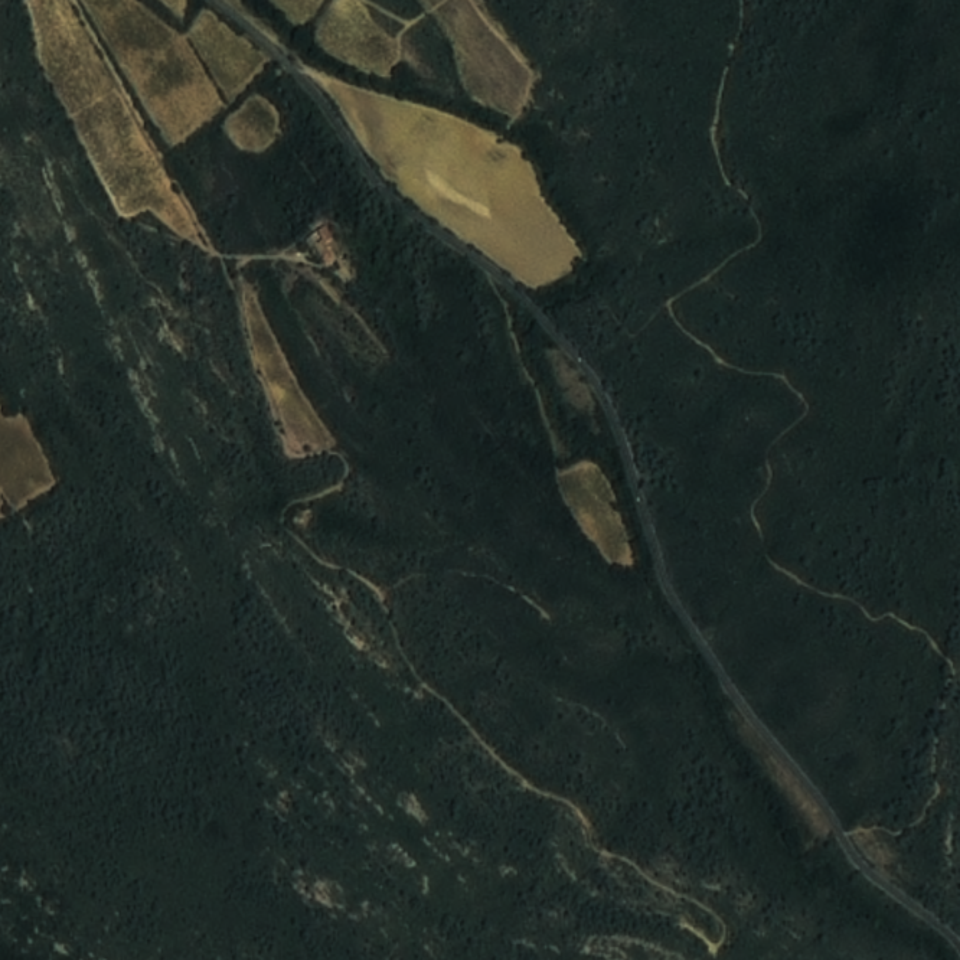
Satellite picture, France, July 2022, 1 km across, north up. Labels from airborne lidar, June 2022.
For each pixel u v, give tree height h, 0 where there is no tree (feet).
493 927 40
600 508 0
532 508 18
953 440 19
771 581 0
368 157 21
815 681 0
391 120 0
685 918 0
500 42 0
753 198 29
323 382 0
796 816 0
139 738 29
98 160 0
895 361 27
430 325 22
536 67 33
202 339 23
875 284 27
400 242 31
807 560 29
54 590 22
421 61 0
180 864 26
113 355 0
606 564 18
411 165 0
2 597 35
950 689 46
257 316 0
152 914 23
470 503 41
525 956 30
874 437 21
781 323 38
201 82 0
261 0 49
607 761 0
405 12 27
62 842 28
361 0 0
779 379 0
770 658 0
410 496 0
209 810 39
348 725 23
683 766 24
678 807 44
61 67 0
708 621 19
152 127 39
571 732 0
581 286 39
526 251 0
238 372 39
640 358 29
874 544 41
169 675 42
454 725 24
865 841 0
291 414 0
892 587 31
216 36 0
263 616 35
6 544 24
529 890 29
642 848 20
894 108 24
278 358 0
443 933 20
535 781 26
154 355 0
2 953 20
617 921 38
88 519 32
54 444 29
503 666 23
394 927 0
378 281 29
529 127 20
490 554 22
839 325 26
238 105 20
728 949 31
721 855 38
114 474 24
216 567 24
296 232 31
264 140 0
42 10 0
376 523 49
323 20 0
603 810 20
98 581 20
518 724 21
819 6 23
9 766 25
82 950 29
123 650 22
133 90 22
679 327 0
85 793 29
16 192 0
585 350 29
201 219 21
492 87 0
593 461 25
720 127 22
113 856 22
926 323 34
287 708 35
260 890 22
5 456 0
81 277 0
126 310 31
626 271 34
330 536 18
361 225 45
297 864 19
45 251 0
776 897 33
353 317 21
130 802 23
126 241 20
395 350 19
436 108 30
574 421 31
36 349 24
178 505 30
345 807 20
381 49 0
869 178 17
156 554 30
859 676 18
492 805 29
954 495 39
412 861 23
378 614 34
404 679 20
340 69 27
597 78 38
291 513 20
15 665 44
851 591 33
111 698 43
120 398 25
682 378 0
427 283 38
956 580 18
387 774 22
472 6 0
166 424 0
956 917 24
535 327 40
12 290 23
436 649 30
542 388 37
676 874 24
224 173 0
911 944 22
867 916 29
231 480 25
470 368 26
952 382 31
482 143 0
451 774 25
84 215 0
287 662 26
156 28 0
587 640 0
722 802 40
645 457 39
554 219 0
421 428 32
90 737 27
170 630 24
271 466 23
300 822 25
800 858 24
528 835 34
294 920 33
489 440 29
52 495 40
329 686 21
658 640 37
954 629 33
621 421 24
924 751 34
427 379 18
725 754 36
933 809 29
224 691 25
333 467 36
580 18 30
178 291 37
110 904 20
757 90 22
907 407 23
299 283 20
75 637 28
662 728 0
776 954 0
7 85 29
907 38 19
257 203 0
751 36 32
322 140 44
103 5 0
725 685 0
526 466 21
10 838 23
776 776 0
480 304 33
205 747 31
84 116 0
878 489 38
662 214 22
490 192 0
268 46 0
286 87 18
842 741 0
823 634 18
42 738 37
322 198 27
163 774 27
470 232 0
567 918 23
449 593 24
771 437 0
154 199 0
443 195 0
